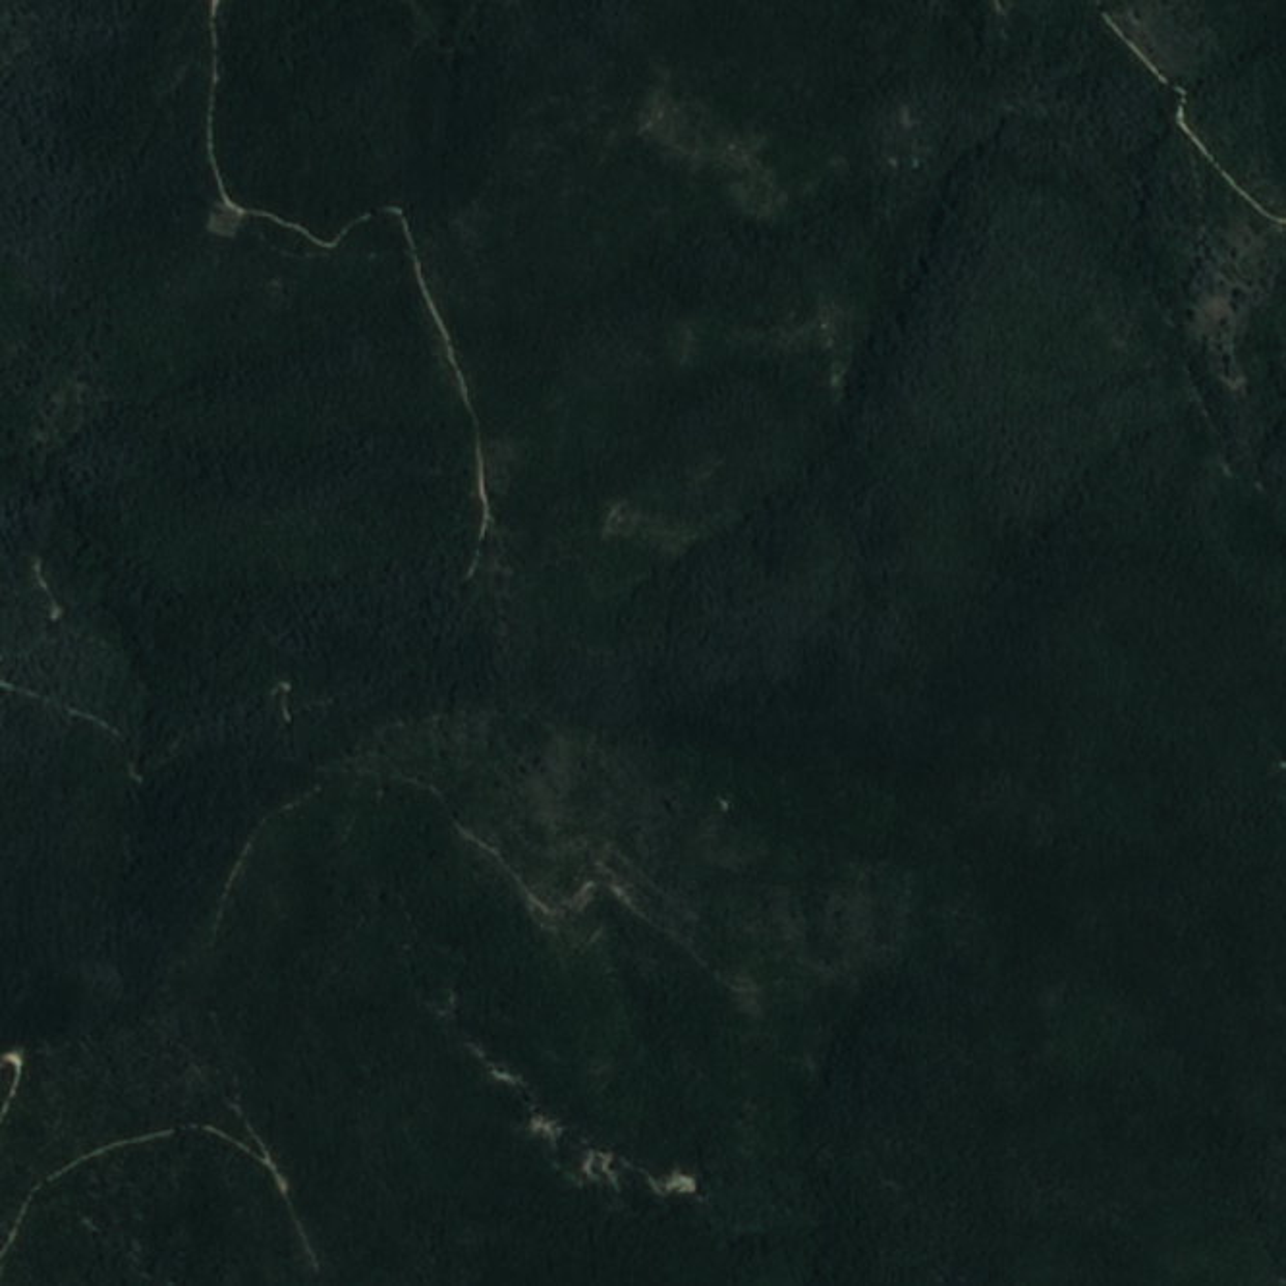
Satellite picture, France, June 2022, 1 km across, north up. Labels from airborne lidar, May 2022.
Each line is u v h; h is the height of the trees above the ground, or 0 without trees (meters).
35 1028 6
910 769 8
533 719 5
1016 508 10
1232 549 8
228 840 7
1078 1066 7
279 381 7
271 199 6
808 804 8
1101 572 8
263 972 6
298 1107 6
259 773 9
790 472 10
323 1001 8
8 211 12
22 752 8
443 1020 7
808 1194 9
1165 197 8
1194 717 8
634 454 6
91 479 14
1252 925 11
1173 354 8
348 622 10
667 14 5
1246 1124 7
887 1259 10
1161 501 9
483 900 6
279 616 12
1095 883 11
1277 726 8
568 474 6
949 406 5
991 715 7
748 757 6
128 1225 6
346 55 7
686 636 7
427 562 9
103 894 10
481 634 6
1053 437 6
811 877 8
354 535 8
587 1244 9
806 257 6
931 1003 7
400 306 6
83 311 11
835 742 7
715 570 7
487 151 7
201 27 6
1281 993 9
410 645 12
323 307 6
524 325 7
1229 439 10
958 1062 6
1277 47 8
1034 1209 7
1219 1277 6
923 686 7
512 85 7
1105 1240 10
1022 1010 8
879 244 12
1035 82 8
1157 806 13
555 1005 7
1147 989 7
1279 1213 7
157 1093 9
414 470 7
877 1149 7
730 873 5
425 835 7
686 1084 9
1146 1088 8
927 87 7
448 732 6
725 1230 7
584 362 6
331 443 10
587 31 10
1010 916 9
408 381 5
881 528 7
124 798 9
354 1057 8
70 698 6
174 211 6
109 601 16
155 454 13
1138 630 7
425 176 7
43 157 11
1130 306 8
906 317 15
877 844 7
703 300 8
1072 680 11
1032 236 7
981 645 13
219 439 10
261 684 8
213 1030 6
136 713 11
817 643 8
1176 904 10
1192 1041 8
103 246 7
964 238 10
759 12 6
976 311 7
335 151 7
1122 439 10
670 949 6
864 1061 12
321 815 6
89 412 9
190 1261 5
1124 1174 6
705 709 7
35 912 9
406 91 6
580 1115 7
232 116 6
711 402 10
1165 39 0
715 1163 10
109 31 10
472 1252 6
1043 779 8
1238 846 12
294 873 6
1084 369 7
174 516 8
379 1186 8
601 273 8
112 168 9
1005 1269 9
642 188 6
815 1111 10
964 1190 8
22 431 6
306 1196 7
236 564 9
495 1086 8
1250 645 9
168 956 6
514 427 6
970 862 7
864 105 10
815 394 6
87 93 9
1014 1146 7
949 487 6
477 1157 8
